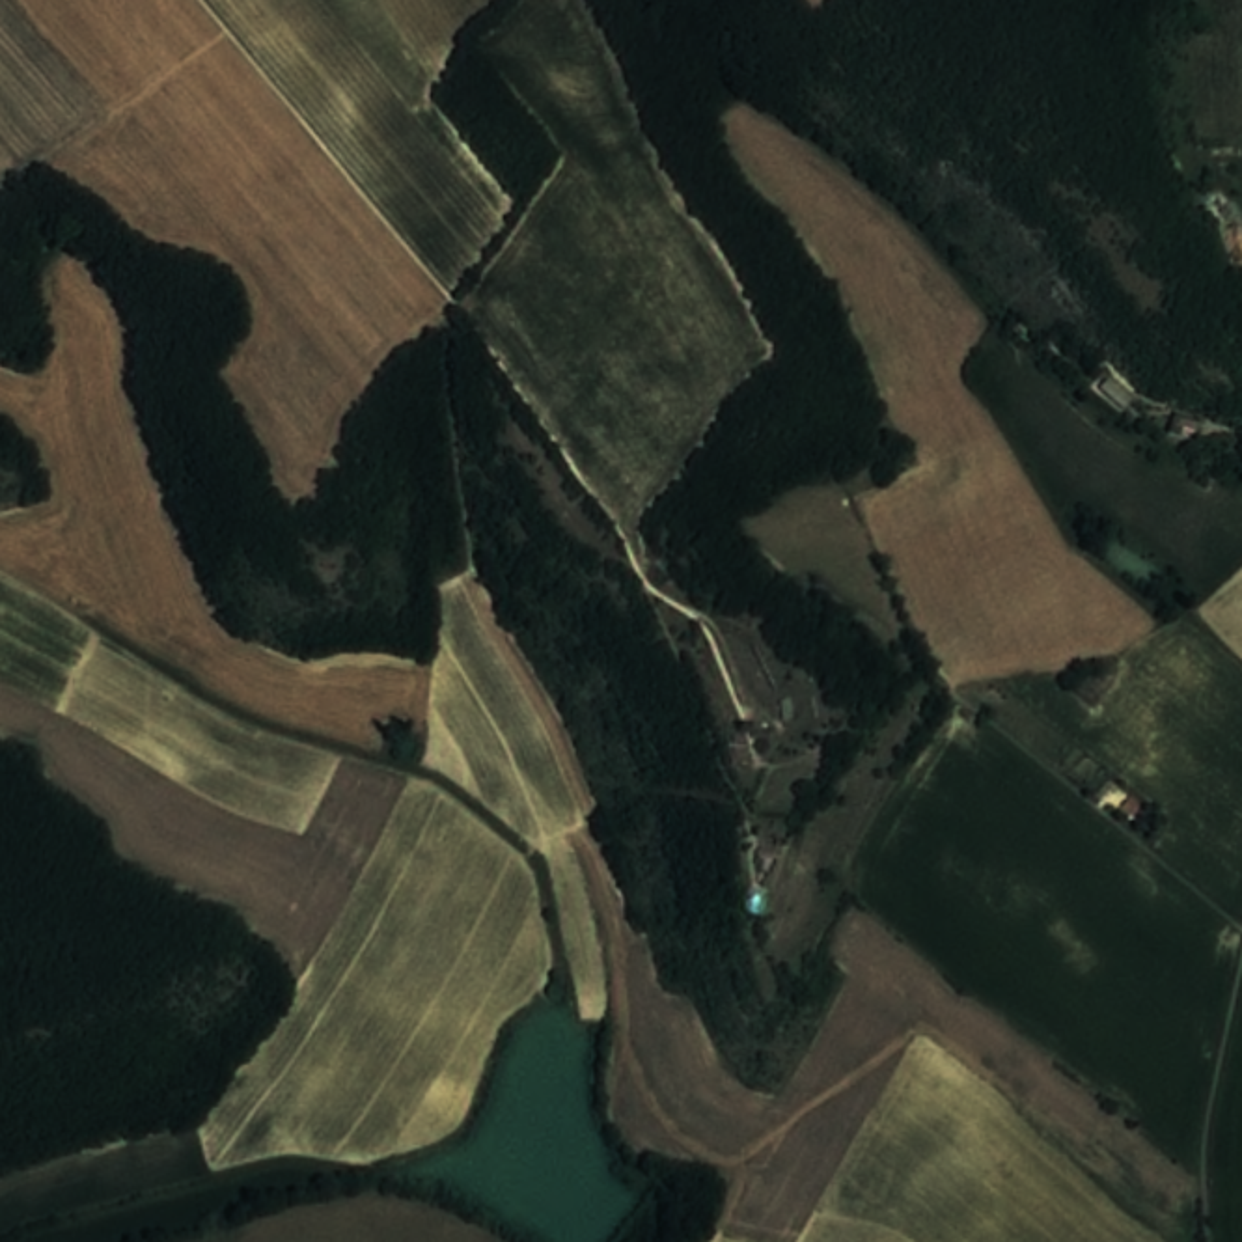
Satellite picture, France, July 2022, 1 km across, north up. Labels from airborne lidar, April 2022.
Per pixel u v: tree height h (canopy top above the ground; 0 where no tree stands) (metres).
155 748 0
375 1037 0
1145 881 0
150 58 0
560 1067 0
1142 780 0
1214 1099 0
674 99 19
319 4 0
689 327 0
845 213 0
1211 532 0
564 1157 0
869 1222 0
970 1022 0
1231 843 0
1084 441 0
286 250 0
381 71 0
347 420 10
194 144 0
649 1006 0
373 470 9
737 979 11
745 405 13
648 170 0
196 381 12
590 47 0
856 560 0
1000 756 0
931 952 0
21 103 0
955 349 0
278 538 9
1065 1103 0
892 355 0
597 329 0
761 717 0
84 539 0
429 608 17
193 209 0
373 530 8
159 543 0
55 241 28
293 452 0
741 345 0
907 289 0
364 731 0
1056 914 0
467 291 9
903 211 13
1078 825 0
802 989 14
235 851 0
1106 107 9
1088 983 0
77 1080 16
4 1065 8
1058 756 0
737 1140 0
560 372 0
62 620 0
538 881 0
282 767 0
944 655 0
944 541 0
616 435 0
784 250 18
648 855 8
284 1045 0
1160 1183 0
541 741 0
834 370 20
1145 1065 0
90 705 0
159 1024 9
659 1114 0
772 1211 0
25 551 0
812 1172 0
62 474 0
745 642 0
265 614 0
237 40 0
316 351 0
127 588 0
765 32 10
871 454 12
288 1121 0
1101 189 8
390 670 0
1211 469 8
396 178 0
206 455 12
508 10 11
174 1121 18
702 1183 19
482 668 0
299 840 0
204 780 0
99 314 0
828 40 9
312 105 0
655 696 11
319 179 0
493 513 11
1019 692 0
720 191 16
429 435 17
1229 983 0
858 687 17
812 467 12
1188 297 9
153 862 0
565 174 0
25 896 16
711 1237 14
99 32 0
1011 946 0
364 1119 0
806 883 0
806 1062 0
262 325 0
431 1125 0
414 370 16
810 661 14
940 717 16
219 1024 7
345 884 0
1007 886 0
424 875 0
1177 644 0
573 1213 0
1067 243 6
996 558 0
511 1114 0
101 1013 9
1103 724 0
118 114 0
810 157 0
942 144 8
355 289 0
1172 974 0
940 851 0
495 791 0
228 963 7
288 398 0
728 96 7
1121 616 0
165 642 0
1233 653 0
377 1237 0
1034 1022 0
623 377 0
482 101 11
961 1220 0
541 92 0
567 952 0
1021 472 0
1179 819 0
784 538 0
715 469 14
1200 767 0
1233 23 0
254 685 0
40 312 22
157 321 19
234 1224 16
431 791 0
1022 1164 0
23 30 0
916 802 0
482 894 0
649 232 0
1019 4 12
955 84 8
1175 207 8
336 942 0
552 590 8
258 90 0
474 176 0
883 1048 0
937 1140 0
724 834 15
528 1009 0
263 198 0
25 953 11
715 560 11
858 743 12
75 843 15
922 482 0
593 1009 0
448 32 0
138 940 14
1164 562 0
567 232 0
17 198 18
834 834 0
